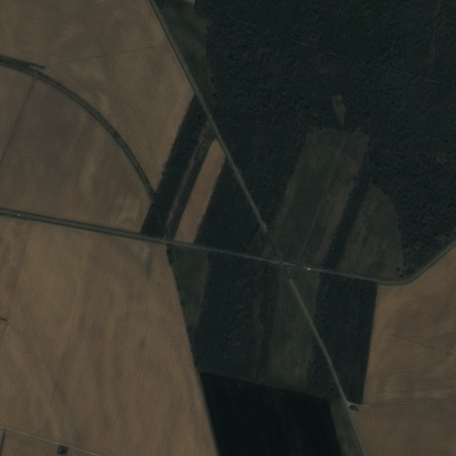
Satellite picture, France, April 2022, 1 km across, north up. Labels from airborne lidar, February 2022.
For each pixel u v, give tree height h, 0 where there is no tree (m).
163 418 0
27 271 0
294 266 0
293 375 0
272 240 0
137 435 0
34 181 0
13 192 0
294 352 0
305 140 9
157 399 0
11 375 0
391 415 0
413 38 12
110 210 0
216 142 0
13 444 0
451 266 0
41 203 0
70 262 0
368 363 0
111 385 0
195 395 0
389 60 10
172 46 0
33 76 0
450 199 6
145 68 0
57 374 0
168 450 0
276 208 9
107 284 0
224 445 0
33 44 0
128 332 0
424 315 0
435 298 0
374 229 0
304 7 8
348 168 0
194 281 0
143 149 0
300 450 0
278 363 0
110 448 0
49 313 0
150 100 0
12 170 0
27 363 0
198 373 0
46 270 0
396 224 0
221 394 0
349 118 6
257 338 0
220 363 8
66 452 0
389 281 0
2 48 0
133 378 0
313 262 0
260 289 0
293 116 9
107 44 0
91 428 0
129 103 0
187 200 0
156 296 0
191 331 11
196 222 0
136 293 0
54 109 0
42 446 0
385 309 0
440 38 7
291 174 7
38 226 0
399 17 7
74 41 0
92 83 0
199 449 0
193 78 0
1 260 0
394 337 0
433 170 8
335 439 0
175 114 0
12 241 0
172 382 0
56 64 0
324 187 0
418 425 0
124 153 0
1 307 0
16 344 0
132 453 0
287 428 0
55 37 0
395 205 8
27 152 0
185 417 0
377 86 8
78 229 0
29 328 0
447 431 0
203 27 0
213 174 0
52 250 0
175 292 0
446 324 0
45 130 0
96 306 0
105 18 0
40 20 0
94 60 0
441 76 9
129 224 0
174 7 0
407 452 0
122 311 0
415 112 8
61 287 0
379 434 0
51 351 0
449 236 11
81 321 0
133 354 0
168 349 0
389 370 0
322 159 0
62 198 0
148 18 0
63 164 0
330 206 0
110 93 0
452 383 0
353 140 0
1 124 0
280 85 10
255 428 0
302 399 0
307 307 0
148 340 0
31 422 0
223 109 12
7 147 0
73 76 0
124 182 0
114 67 0
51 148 0
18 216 0
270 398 0
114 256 0
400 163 8
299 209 0
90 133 0
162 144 0
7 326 0
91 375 0
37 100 0
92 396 0
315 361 7
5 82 0
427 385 0
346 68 8
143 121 0
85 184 0
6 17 0
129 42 0
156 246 0
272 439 0
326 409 0
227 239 11
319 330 11
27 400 0
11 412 0
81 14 0
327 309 12
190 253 0
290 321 0
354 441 0
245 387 0
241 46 8
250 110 7
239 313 14
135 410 0
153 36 0
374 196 0
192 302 0
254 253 0
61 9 0
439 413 0
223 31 8
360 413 0
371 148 8
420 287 0
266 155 0
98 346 0
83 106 0
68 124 0
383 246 0
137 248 0
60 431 0
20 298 0
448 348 0
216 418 0
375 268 0
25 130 0
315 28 12
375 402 0
